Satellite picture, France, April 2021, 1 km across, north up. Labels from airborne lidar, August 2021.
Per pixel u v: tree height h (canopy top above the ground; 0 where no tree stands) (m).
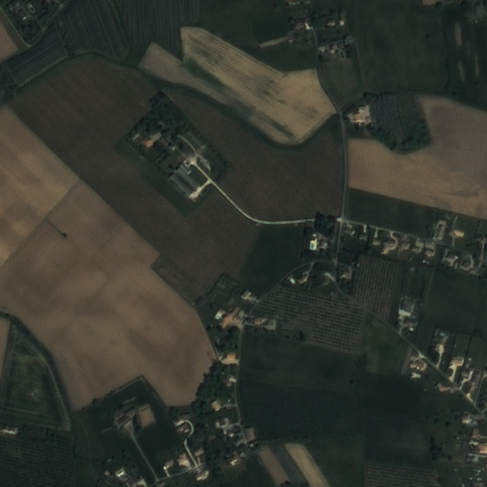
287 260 0
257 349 0
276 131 0
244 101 0
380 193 0
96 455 0
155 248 0
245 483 0
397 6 0
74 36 6
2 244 0
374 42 0
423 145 15
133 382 0
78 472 0
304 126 0
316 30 13
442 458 10
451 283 0
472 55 0
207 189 7
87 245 0
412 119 9
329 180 0
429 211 0
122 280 0
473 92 0
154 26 7
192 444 8
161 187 0
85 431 0
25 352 0
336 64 0
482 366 0
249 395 13
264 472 0
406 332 8
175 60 0
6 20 0
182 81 0
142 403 0
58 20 7
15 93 17
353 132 0
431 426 0
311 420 10
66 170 0
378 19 0
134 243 0
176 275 0
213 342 0
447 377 0
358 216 0
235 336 19
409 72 0
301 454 0
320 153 0
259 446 10
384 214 0
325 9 0
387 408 0
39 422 0
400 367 0
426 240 0
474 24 0
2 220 0
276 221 0
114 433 0
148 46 0
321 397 8
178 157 0
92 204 0
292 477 0
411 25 0
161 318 0
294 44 9
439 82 0
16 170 0
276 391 7
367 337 0
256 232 0
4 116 0
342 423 11
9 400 0
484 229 0
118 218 0
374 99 18
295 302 6
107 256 0
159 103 23
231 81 0
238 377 0
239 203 0
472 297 0
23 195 0
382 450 10
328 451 0
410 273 13
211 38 0
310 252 10
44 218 0
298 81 0
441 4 13
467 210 0
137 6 8
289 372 0
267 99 0
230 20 0
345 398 9
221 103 0
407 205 0
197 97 0
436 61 0
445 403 0
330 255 14
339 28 11
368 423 9
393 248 0
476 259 10
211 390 23
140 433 19
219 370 16
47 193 0
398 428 9
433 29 0
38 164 0
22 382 0
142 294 0
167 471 0
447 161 0
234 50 0
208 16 0
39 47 7
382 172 0
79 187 0
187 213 0
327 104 0
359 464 0
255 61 0
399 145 23
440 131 0
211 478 0
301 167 0
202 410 14
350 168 0
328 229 10
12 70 9
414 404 0
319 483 0
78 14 8
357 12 0
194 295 0
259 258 0
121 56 6
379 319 0
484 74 0
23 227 0
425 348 0
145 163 0
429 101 0
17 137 0
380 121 18
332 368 0
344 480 0
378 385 0
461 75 0
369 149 0
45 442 6
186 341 0
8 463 5
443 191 0
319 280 7
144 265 0
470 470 0
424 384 0
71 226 0
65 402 0
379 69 0
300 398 9
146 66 0
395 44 0
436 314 0
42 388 0
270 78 0
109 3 7
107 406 0
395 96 11
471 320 0
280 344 0
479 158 0
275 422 8
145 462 0
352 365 0
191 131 9
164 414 0
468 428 0
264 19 0
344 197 0
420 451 11
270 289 0
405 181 0
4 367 0
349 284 14
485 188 0
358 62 0
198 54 0
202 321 0
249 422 6
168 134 17
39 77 0
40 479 7
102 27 8
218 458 9
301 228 0
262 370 0
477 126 0
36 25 6
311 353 0
